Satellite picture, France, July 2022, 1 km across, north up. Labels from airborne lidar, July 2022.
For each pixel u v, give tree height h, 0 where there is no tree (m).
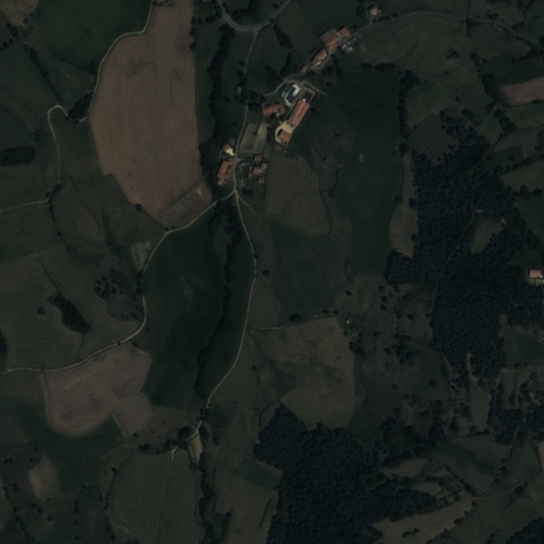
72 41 0
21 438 0
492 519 0
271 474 0
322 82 0
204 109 0
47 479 0
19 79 0
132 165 0
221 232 0
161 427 0
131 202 0
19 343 0
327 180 0
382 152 0
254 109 13
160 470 0
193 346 0
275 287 0
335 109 0
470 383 9
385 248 0
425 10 0
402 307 0
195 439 0
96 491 0
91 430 0
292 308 0
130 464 0
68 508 0
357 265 0
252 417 0
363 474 18
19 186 0
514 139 0
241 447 0
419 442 10
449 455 0
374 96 0
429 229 11
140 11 0
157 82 0
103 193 0
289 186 0
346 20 0
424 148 0
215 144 0
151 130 0
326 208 0
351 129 0
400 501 17
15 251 0
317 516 9
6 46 11
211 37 0
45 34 0
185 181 0
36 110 0
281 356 0
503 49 0
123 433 0
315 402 0
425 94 0
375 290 0
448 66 0
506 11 0
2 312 0
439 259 17
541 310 11
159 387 0
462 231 9
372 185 0
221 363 0
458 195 12
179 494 0
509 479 0
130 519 0
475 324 15
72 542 0
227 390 0
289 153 0
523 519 0
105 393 0
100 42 0
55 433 0
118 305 0
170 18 0
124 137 0
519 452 0
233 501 0
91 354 0
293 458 18
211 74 19
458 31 0
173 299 0
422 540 0
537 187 0
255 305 0
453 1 0
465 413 10
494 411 8
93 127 0
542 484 0
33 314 0
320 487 9
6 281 0
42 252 0
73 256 0
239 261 0
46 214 0
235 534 0
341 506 8
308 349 0
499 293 12
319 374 0
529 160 10
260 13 0
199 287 0
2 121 0
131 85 0
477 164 8
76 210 0
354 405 0
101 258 0
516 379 0
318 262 0
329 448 20
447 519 0
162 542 0
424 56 0
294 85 0
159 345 0
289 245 0
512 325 8
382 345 0
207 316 0
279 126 0
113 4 0
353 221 0
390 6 0
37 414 0
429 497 13
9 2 0
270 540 13
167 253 0
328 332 0
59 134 0
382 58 0
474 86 0
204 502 10
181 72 0
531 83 0
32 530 0
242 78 12
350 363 0
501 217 10
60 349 0
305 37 0
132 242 0
